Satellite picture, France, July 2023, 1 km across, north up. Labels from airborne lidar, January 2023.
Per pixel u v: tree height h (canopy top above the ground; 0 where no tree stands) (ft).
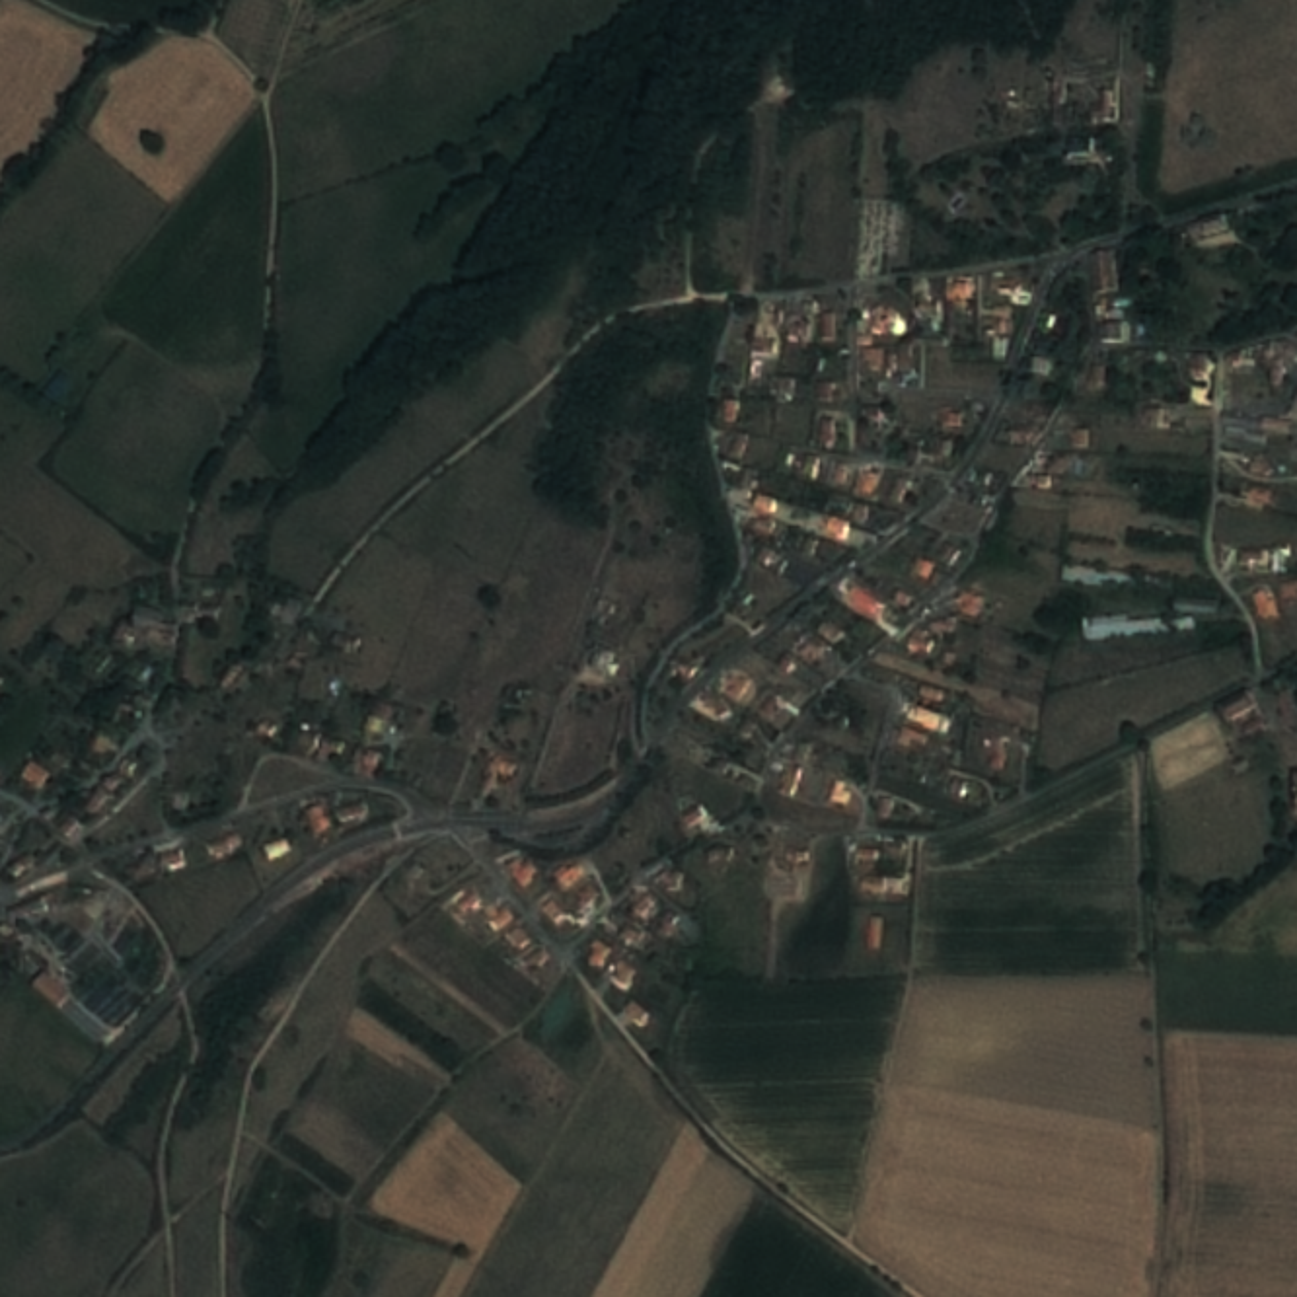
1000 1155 0
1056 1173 0
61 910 0
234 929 0
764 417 0
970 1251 0
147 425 0
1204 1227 0
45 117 0
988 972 0
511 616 0
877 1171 0
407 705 0
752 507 0
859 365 0
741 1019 0
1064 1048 0
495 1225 0
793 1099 0
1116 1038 0
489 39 0
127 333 0
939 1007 0
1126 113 0
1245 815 0
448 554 0
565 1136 0
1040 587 0
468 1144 0
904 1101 0
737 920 0
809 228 0
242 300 0
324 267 0
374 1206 0
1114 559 0
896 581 0
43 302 0
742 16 47
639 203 45
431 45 0
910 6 38
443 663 0
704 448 19
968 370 0
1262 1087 0
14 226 0
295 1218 0
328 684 0
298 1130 0
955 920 0
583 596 0
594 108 66
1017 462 0
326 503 0
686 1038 0
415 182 0
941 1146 0
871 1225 0
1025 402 52
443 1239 0
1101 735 0
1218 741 0
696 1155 0
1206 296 0
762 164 0
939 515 0
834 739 0
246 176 0
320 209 0
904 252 0
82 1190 0
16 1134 0
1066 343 54
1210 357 22
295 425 0
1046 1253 0
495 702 0
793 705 0
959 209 0
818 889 0
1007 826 0
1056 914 0
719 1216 0
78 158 0
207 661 0
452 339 49
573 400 23
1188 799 0
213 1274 0
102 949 0
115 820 0
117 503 0
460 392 0
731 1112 0
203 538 0
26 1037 0
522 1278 0
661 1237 0
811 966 0
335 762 35
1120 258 34
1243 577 0
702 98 39
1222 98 0
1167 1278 0
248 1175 0
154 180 0
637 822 0
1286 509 0
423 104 0
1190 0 0
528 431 0
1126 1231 0
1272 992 0
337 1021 0
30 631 0
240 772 0
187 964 31
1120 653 0
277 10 0
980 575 0
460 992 0
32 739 0
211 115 0
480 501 0
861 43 42
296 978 0
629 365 19
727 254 0
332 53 0
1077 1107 0
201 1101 24
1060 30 29
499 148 0
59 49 0
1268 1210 0
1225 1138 0
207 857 0
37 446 0
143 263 0
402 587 0
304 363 0
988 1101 0
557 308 0
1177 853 0
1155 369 41
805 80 41
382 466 0
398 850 0
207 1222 0
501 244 59
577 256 0
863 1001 0
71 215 0
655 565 0
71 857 31
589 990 0
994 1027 0
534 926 0
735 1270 0
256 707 0
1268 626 0
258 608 31
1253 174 42
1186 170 0
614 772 26
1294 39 0
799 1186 0
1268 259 33
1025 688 0
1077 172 42
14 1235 0
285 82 0
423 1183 0
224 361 0
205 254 0
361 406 33
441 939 0
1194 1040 0
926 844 0
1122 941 0
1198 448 0
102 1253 0
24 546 0
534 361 0
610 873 0
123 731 29
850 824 0
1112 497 0
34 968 0
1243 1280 0
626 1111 0
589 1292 0
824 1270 0
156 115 0
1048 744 0
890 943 0
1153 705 0
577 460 33
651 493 0
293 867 0
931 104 0
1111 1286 0
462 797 0
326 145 0
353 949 0
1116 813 0
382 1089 0
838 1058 0
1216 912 42
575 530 0
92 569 0
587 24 0
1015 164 64
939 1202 0
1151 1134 0
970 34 35
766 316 0
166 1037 0
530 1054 0
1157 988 0
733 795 0
